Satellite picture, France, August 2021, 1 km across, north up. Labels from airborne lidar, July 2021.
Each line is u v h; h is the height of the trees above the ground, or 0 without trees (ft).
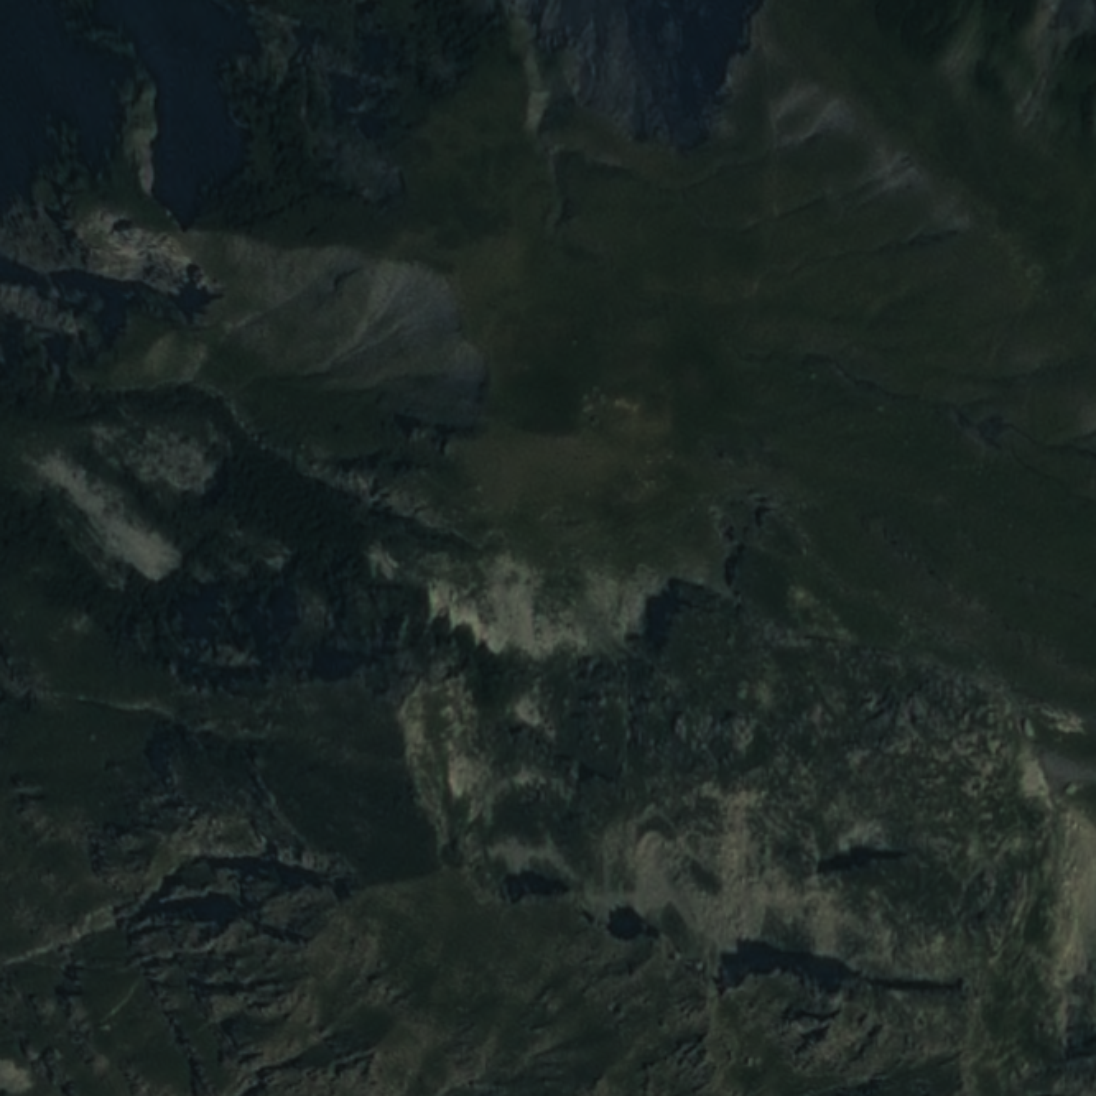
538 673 0
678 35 0
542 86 0
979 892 0
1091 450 0
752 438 0
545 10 0
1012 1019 0
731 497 0
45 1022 0
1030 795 0
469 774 0
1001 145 0
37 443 0
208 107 0
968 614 0
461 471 0
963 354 0
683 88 0
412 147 0
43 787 0
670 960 0
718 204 0
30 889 0
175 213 0
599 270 0
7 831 0
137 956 0
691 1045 0
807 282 0
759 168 0
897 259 0
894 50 0
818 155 0
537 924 0
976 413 0
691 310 0
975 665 0
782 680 0
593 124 0
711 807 0
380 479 0
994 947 0
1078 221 0
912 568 0
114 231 0
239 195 19
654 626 0
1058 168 0
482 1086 0
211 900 0
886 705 0
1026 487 0
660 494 0
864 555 0
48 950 0
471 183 0
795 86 0
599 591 0
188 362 0
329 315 0
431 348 0
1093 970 0
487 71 0
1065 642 0
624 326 0
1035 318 0
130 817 0
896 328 0
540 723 0
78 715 0
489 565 0
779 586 0
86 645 0
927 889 0
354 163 0
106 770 0
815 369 0
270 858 0
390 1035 0
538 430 0
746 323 0
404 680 0
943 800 0
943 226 0
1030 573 0
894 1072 0
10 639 0
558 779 0
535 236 0
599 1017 0
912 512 0
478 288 0
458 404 0
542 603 0
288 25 0
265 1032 0
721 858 0
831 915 0
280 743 0
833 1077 0
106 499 0
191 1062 0
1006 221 0
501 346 0
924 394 0
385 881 0
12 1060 0
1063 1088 0
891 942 0
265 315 0
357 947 0
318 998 0
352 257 0
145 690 0
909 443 0
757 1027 0
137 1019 0
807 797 0
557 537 0
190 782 0
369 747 0
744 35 0
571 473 0
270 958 0
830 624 0
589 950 0
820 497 0
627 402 0
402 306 0
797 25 0
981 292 0
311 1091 0
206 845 0
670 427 0
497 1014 0
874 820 0
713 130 0
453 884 0
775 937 0
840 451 0
